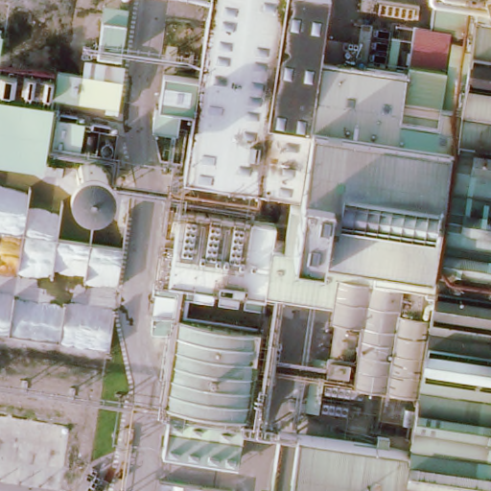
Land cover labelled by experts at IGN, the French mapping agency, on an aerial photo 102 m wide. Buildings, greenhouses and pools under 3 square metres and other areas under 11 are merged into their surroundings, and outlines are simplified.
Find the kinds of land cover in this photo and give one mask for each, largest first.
<instances>
[{"label":"building","instance_id":"1","mask_svg":"<svg viewBox=\"0 0 491 491\"><path fill-rule=\"evenodd\" d=\"M105 6L102 17L98 19V25L102 27L100 42L96 50H82V75L59 73L58 81L52 84L25 81L23 90L17 88L15 79H2L0 75V345L38 351H61L67 355H81L88 359H107L113 328V320L117 313L115 309L119 305H127L123 295L115 292V286L121 276L125 249L129 247L130 207L129 198L125 194L165 198V192L159 190L130 188L117 182V178L127 175L130 169L119 159L121 152L113 136L119 134V130L129 127L130 107L140 96L134 90V79H125L123 61L159 65L161 58L123 54L129 13L121 10L115 0H102ZM207 10V17L201 38L198 77H161L159 104L153 111L152 119V129L161 134L157 138V146L161 152V159H165L161 163L163 171L169 175L184 176L182 186L188 190L186 215H175L173 224L175 244L171 253V280H159V286L150 284V293L155 299L153 313L161 315L173 313L178 309L180 324H184L178 336V361L169 407V414L173 418L169 422L171 428H163L161 460L165 464L175 466L176 470L198 468L219 474H234V464L244 460L242 443L255 441L261 445H269L272 449L270 491H491V0H205L201 4ZM71 422L67 414L59 410H33L10 403H0V481H19L27 487L38 485L40 489L52 491H59L61 481L65 479V428ZM173 491H215L190 485H175Z\"/></svg>","mask_w":491,"mask_h":491},{"label":"impervious surface","instance_id":"2","mask_svg":"<svg viewBox=\"0 0 491 491\"><path fill-rule=\"evenodd\" d=\"M121 10L129 13L123 54L161 58L159 65L123 61L125 79H134V90L140 96L130 107L129 127L119 130V134L113 136L121 152L119 159L130 169L127 175L117 178V182L130 188L159 190L165 192V198L125 194L129 198L130 207L129 247L125 249L121 276L115 286V292L123 295L127 305H119L115 309L117 313L113 320V328L119 332L121 355L129 380V391H119L117 395V414L121 416V422L119 439L113 453V481L105 491H173L175 485H190L215 491H270L272 449L269 445H261L255 441L242 443L244 460L234 464V474H219L198 468L176 470L175 466L165 464L161 460L163 428H171L169 422L173 418L169 414V407L178 361V336L184 324H180L178 309L173 313L161 315L153 313L155 299L150 293V284L159 286V280H171V253L175 244L173 224L175 215H186L188 190L182 186L184 176L169 175L163 171L161 163L165 159H161V152L157 146V138L161 134L152 129V119L153 111L159 104L161 77H198L201 38L207 17V10L201 4L205 0H115ZM59 491H94V485L88 483V479H65L61 481ZM0 491H52L40 489L38 485L27 487L19 481H0Z\"/></svg>","mask_w":491,"mask_h":491},{"label":"pervious surface","instance_id":"3","mask_svg":"<svg viewBox=\"0 0 491 491\"><path fill-rule=\"evenodd\" d=\"M105 6L102 0H0V75L2 79H15L17 88L23 90L25 81L52 84L58 81L59 73L82 75V50H96L100 42L102 27L98 25V19L102 17ZM107 359H88L81 355H67L61 351H38L0 345V403H10L33 410H59L67 414L71 422L65 428V479H88V483L94 485V491H105L113 481V453H107L102 458L92 455L100 401L104 393Z\"/></svg>","mask_w":491,"mask_h":491},{"label":"herbaceous vegetation","instance_id":"4","mask_svg":"<svg viewBox=\"0 0 491 491\"><path fill-rule=\"evenodd\" d=\"M119 391H129V380L121 355L119 332L113 328L107 359L104 393L100 401L92 455L102 458L107 453H113L119 439L121 422V416L117 414V395Z\"/></svg>","mask_w":491,"mask_h":491}]
</instances>
